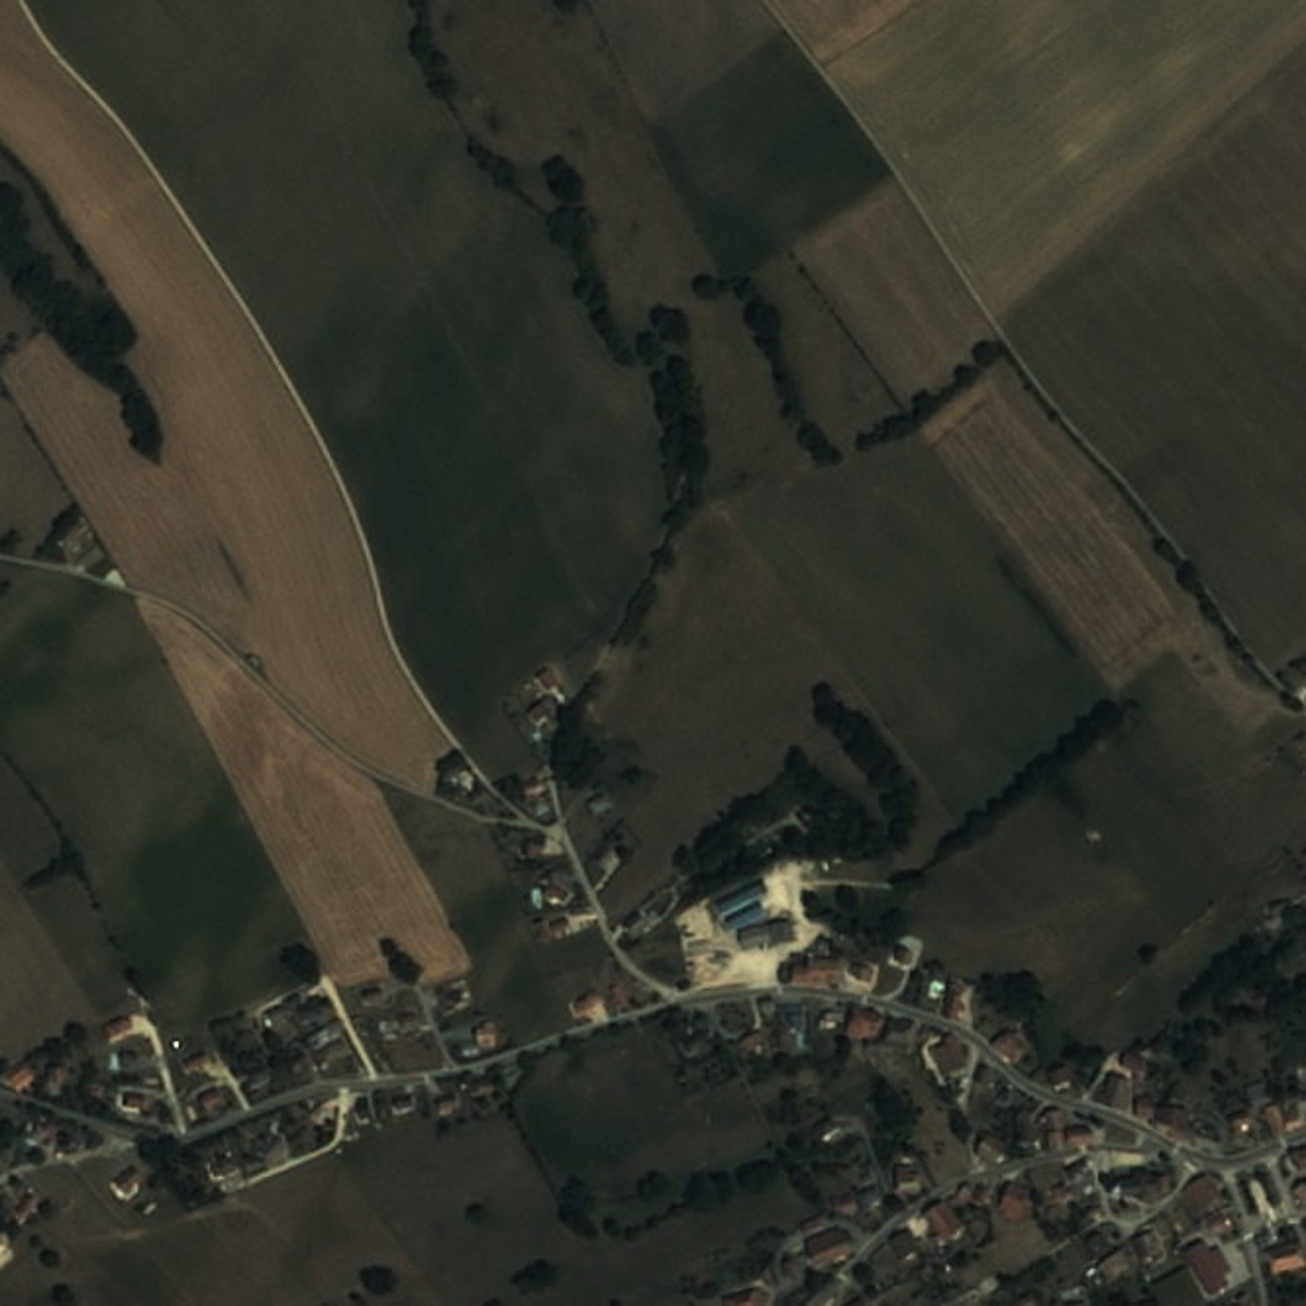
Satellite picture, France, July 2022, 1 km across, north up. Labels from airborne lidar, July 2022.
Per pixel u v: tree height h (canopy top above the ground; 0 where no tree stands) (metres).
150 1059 0
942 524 0
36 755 0
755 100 0
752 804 14
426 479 0
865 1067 0
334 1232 0
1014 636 0
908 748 0
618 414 0
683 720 0
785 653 0
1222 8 0
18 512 0
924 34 0
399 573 0
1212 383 0
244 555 0
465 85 0
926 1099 0
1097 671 0
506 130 0
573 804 0
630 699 0
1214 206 0
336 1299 0
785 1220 0
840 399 0
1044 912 0
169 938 0
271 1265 0
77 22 0
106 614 0
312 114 0
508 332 0
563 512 0
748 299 13
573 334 0
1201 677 0
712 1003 0
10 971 0
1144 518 9
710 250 0
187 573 0
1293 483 0
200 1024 0
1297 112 0
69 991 0
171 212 0
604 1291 0
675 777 0
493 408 0
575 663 0
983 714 0
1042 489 0
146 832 0
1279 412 0
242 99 0
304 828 0
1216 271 0
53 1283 0
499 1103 8
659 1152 0
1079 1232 9
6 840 0
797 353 0
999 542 0
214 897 0
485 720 0
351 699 0
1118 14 0
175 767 0
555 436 0
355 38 0
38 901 0
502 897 0
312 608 0
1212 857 0
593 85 0
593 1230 15
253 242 0
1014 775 0
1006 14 0
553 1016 0
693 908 0
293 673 0
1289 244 0
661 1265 0
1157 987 0
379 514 0
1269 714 0
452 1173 0
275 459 0
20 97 0
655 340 12
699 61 0
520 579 0
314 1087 0
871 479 0
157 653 0
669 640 0
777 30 0
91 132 0
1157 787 0
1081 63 0
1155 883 0
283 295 0
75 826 0
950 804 0
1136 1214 0
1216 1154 0
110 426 0
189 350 0
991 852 0
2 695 0
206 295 0
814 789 21
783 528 0
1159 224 0
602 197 0
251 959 0
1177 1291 0
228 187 0
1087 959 0
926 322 0
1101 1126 12
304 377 0
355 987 0
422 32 12
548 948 0
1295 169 0
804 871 0
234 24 0
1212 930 0
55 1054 14
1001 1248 0
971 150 0
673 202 0
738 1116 0
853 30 0
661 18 0
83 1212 0
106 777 0
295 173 0
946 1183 0
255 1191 0
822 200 0
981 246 0
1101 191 0
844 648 0
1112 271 0
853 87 0
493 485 0
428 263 0
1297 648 0
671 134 0
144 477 0
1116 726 21
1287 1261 0
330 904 0
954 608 0
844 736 14
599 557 0
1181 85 0
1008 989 18
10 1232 6
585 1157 0
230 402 0
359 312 0
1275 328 0
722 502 0
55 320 7
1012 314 0
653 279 0
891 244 0
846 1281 0
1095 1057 12
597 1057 0
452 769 8
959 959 0
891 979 0
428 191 0
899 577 0
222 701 0
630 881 0
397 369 0
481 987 0
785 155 0
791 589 0
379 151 0
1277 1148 0
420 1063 0
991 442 0
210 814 0
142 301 0
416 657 0
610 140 0
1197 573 20
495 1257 0
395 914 0
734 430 0
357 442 0
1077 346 0
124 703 0
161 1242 0
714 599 0
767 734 0
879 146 0
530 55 0
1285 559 0
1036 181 0
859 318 0
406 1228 0
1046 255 0
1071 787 0
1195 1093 0
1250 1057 0
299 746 0
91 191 0
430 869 0
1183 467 0
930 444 0
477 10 0
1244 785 0
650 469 0
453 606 0
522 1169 0
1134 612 0
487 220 0
